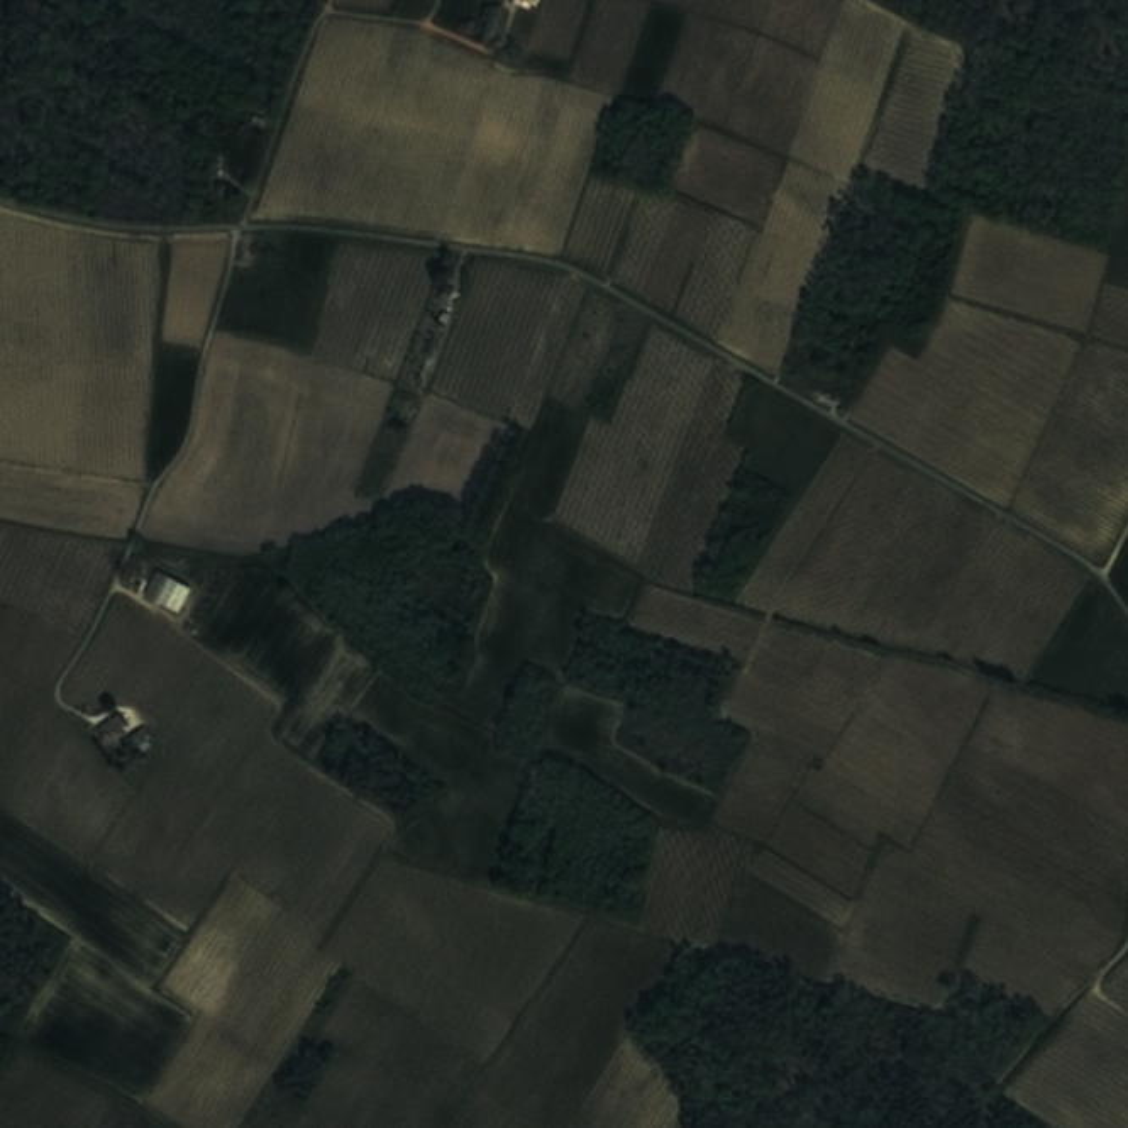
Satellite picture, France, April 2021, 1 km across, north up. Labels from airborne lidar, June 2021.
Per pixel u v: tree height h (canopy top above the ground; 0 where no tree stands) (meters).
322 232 0
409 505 17
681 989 12
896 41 0
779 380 0
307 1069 14
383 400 0
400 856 0
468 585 13
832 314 18
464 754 0
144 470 0
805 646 0
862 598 0
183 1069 0
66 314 0
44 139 20
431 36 0
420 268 0
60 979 0
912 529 0
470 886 0
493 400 0
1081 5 19
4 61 18
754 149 0
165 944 0
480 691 0
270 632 0
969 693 0
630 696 8
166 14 19
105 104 11
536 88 0
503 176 0
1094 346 0
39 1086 0
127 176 19
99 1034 0
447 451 0
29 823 0
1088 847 0
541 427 0
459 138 0
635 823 13
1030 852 0
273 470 0
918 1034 15
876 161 0
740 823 0
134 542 11
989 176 21
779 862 0
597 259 0
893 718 0
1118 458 0
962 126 16
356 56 0
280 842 0
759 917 0
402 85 0
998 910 0
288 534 0
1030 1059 0
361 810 0
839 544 0
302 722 0
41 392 0
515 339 0
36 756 0
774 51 0
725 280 0
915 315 6
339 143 0
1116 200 18
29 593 0
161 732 0
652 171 17
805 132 0
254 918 0
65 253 0
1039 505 0
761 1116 17
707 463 0
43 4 16
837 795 0
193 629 0
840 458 0
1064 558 0
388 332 0
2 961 19
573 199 0
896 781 0
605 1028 0
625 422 0
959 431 0
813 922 0
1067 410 0
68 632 0
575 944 0
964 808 0
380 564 18
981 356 0
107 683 0
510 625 0
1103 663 0
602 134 13
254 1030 0
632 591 0
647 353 0
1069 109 21
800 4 0
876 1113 15
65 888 0
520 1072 0
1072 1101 0
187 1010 0
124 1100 0
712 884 0
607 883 12
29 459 0
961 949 0
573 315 0
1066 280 0
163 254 0
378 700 0
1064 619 0
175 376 0
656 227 0
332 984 6
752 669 0
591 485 0
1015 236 0
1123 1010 0
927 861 0
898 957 0
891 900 0
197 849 0
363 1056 0
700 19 0
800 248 0
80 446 0
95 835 0
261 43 14
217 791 0
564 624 0
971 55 12
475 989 0
